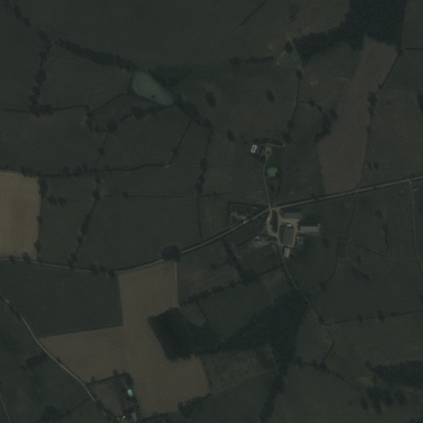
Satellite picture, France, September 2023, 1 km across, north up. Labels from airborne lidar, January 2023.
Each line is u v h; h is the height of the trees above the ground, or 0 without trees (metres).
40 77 13
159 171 0
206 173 0
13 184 0
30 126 0
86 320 0
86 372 0
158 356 0
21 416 0
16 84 0
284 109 0
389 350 0
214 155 0
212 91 0
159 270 0
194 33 0
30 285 0
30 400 0
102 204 0
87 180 0
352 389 0
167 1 0
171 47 0
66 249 0
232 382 0
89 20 0
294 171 0
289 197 0
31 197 0
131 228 0
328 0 0
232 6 0
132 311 0
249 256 0
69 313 0
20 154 0
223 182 0
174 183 0
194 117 7
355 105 0
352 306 0
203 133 0
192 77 0
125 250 0
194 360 0
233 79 0
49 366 0
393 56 0
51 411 14
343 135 0
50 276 0
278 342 6
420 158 0
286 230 0
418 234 0
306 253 0
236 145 0
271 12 0
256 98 0
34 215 0
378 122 0
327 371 11
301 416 0
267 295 0
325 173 0
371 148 0
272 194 0
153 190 0
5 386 0
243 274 14
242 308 0
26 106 0
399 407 0
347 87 0
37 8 0
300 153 0
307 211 0
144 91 0
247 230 0
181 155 0
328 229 0
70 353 0
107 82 0
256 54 0
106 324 0
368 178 0
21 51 0
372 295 0
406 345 0
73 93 0
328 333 0
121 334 0
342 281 0
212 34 0
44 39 17
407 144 0
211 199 0
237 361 0
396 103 0
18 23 0
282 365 16
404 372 17
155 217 0
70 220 0
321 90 0
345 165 0
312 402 0
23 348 0
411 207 0
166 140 0
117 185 0
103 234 0
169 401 0
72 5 0
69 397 0
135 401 13
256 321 19
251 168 0
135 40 0
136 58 0
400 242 0
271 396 14
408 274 0
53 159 0
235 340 10
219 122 0
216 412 0
